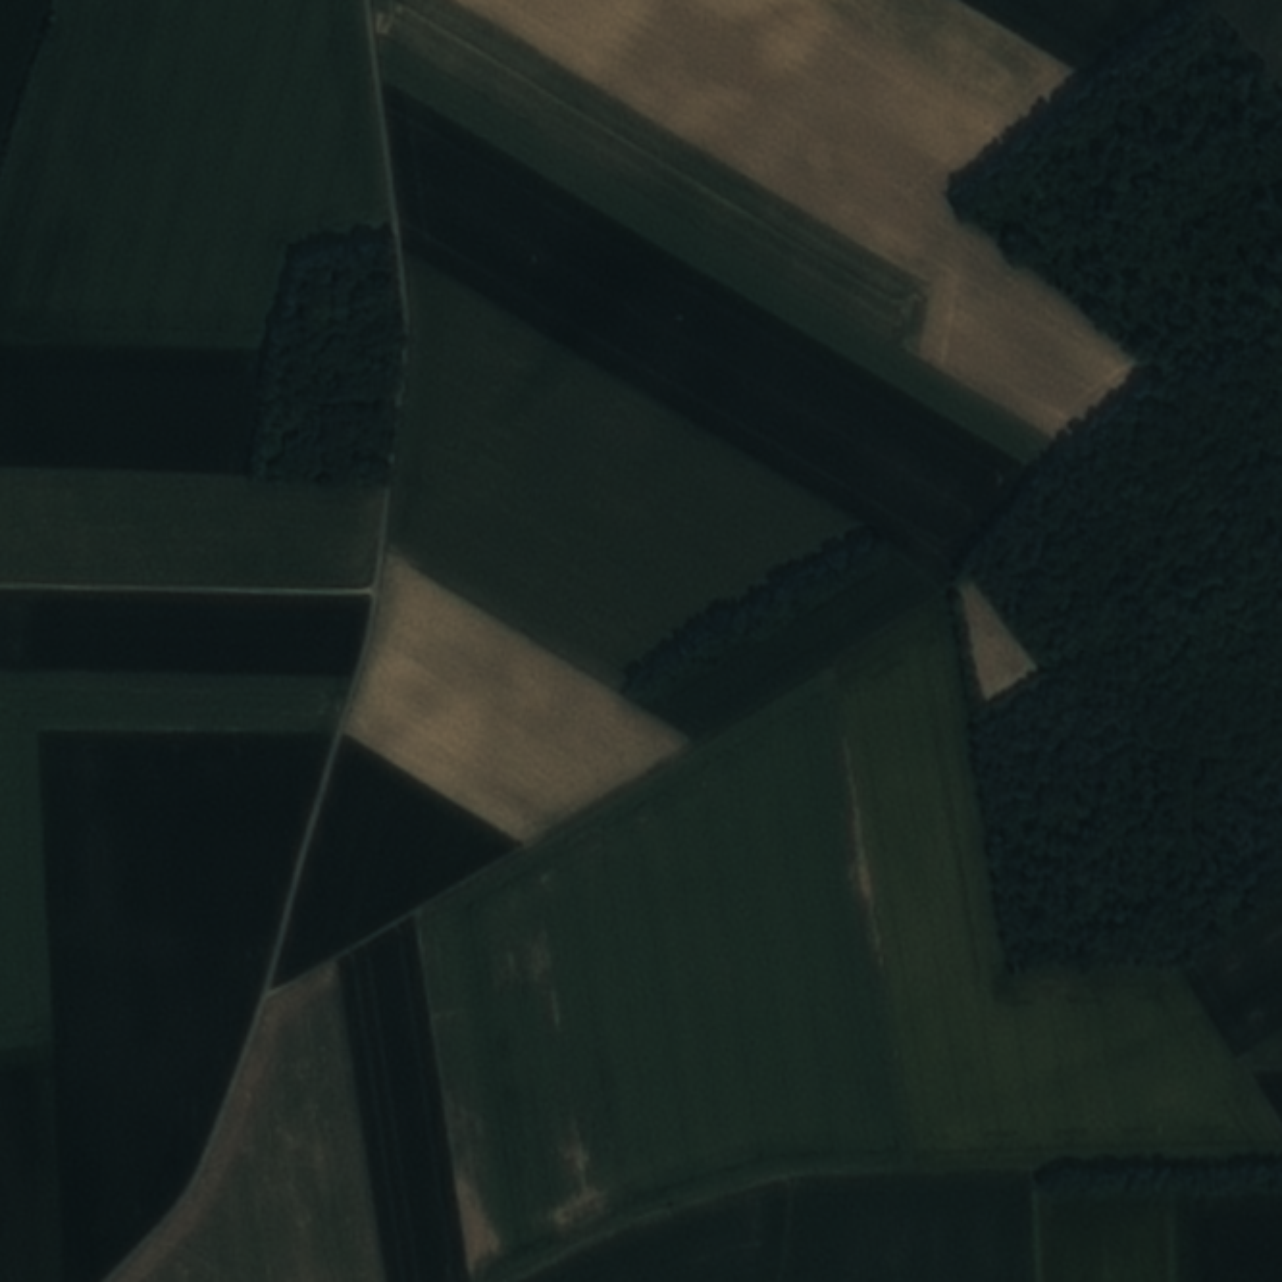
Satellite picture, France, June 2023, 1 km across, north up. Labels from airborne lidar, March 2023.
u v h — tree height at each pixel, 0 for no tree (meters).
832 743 0
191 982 0
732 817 0
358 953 0
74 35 0
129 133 0
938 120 0
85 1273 0
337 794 0
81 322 0
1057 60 0
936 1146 0
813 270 0
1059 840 23
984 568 11
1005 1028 0
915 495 0
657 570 0
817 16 0
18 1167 0
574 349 0
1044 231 17
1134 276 24
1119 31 0
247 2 0
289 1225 0
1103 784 24
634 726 0
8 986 0
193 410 0
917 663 0
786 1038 0
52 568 0
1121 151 23
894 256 0
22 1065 0
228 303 0
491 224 0
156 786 0
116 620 0
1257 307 18
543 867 0
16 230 0
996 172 21
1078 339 0
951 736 0
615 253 0
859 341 0
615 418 0
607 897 0
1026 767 18
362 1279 0
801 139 0
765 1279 0
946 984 0
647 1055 0
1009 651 0
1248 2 0
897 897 0
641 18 0
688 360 0
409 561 0
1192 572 25
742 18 0
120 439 0
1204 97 25
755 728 0
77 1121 0
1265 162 22
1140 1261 0
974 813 0
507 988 0
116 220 0
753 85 0
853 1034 0
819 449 0
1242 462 25
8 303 0
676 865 0
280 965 0
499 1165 0
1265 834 17
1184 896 21
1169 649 19
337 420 27
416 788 0
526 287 0
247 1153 0
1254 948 0
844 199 0
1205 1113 0
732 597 0
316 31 0
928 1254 0
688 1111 0
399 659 0
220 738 0
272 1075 0
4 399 0
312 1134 0
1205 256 7
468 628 0
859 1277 0
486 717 0
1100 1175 20
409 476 0
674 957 0
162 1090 0
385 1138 0
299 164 0
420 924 0
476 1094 0
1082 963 14
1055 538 25
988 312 0
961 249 0
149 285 0
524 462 0
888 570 0
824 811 0
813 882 0
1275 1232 0
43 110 0
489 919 0
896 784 0
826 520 0
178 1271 0
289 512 0
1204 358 16
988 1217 0
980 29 0
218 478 0
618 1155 0
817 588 19
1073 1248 0
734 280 0
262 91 0
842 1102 0
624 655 0
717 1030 0
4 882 0
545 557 0
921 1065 0
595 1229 0
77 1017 0
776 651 0
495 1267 0
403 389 19
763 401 0
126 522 0
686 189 0
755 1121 0
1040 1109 0
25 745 0
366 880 0
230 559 0
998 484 0
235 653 0
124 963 0
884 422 0
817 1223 0
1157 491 25
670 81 0
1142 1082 0
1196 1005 0
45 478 0
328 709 0
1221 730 25
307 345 23
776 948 0
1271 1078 0
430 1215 0
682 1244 0
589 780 0
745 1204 0
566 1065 0
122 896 0
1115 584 21
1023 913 17
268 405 14
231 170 0
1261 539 25
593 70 0
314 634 0
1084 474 21
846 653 0
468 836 0
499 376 0
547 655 0
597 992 0
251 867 0
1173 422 28
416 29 0
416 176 0
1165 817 20
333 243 20
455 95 0
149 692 0
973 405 0
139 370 0
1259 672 27
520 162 0
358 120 0
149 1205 0
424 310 0
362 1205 0
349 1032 0
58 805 0
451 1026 0
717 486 0
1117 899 22
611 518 0
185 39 0
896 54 0
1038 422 0
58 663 0
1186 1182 17
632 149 0
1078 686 16
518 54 0
